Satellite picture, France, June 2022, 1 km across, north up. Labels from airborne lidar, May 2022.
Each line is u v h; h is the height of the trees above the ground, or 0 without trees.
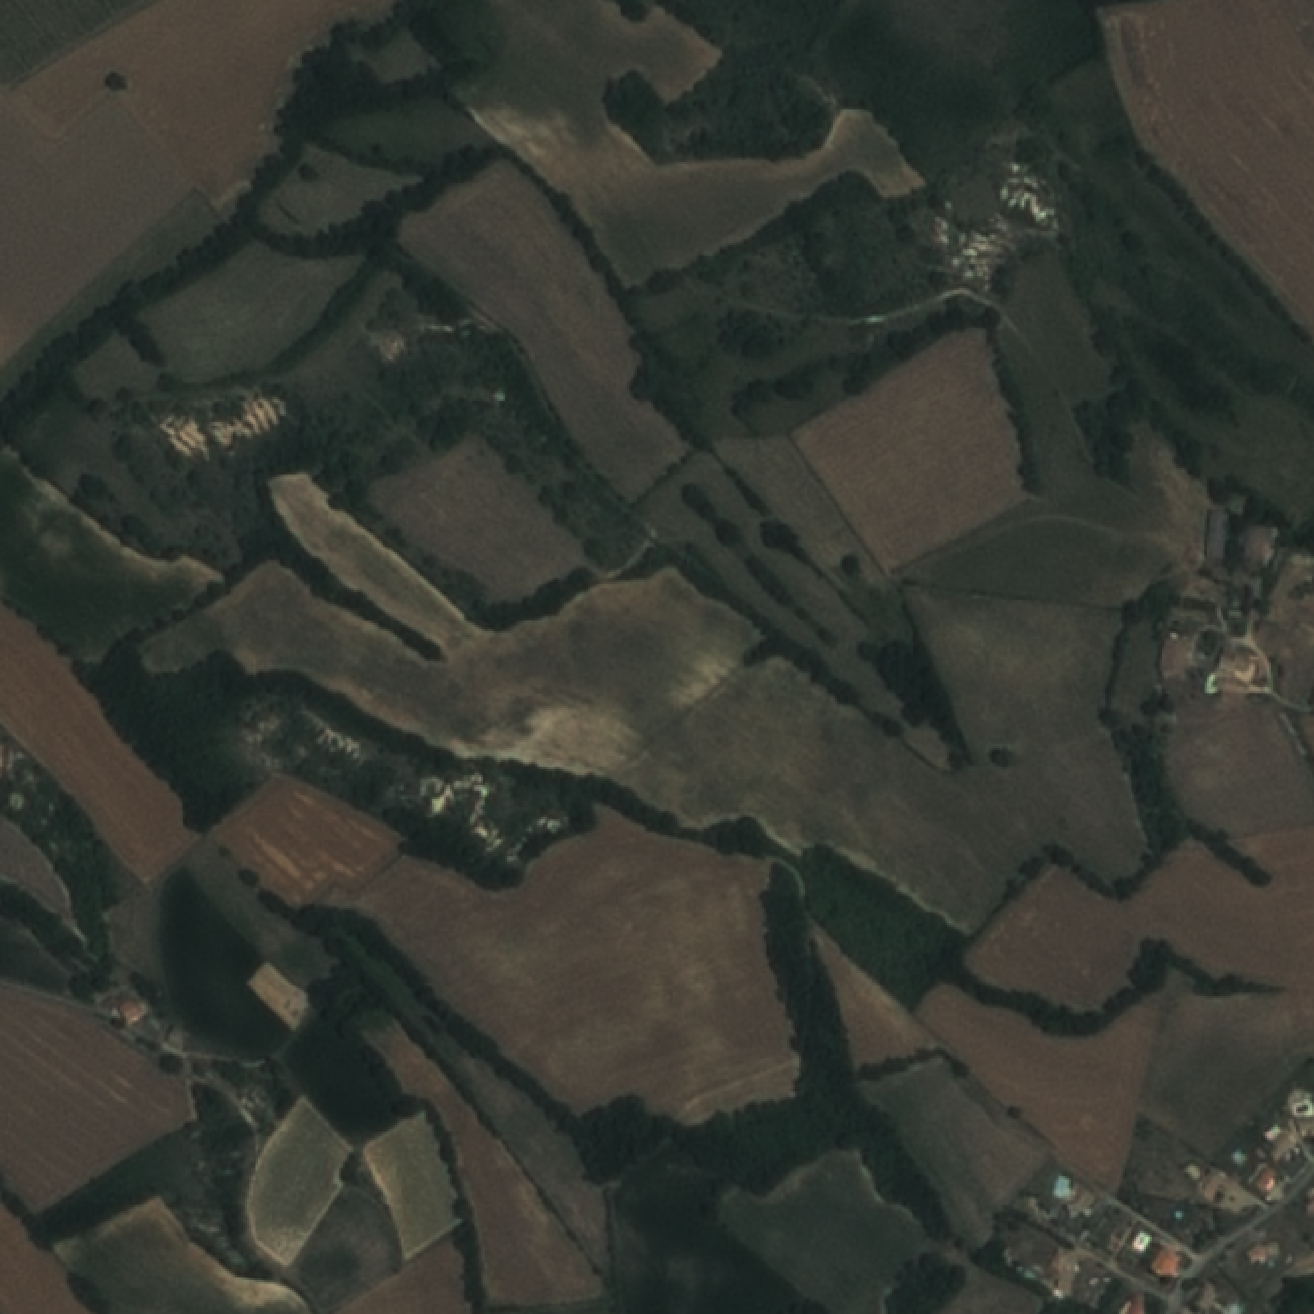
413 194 15
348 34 19
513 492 0
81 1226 13
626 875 0
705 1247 0
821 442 0
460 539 0
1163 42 0
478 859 7
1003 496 0
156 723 11
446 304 12
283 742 6
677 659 0
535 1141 0
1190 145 0
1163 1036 0
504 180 0
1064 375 0
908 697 12
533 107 0
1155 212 0
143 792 0
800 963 12
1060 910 0
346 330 0
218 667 13
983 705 0
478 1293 13
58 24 0
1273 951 0
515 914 0
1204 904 0
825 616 0
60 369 13
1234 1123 0
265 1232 0
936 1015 0
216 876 0
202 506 6
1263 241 0
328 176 0
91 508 7
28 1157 0
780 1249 0
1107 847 0
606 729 0
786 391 14
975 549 0
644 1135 17
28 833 9
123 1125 0
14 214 0
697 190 0
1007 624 0
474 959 0
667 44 0
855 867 13
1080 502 0
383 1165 0
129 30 0
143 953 0
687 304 0
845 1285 0
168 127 0
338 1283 0
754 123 6
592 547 10
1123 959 0
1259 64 0
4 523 0
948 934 7
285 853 0
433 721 0
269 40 0
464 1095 9
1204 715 0
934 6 0
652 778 0
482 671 0
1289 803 0
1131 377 17
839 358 13
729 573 0
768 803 0
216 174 0
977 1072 0
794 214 16
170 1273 0
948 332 6
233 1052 0
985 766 0
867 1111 7
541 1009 0
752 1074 0
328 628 0
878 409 0
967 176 0
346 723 8
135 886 0
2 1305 0
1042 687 0
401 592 0
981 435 0
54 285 0
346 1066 0
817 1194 0
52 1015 0
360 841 0
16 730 0
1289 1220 0
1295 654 0
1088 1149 0
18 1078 0
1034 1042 0
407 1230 0
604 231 0
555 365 0
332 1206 0
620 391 0
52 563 0
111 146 0
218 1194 7
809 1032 10
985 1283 0
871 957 5
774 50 8
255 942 0
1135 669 0
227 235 16
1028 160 9
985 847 0
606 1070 0
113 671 13
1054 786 0
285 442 8
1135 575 0
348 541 0
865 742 0
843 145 0
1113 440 11
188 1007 0
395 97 15
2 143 0
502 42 0
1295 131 0
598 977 0
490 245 0
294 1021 0
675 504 0
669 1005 0
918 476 0
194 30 0
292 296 0
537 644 0
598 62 0
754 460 0
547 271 0
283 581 0
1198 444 17
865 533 0
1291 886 0
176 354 0
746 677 0
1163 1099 0
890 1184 11
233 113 0
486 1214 0
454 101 9
